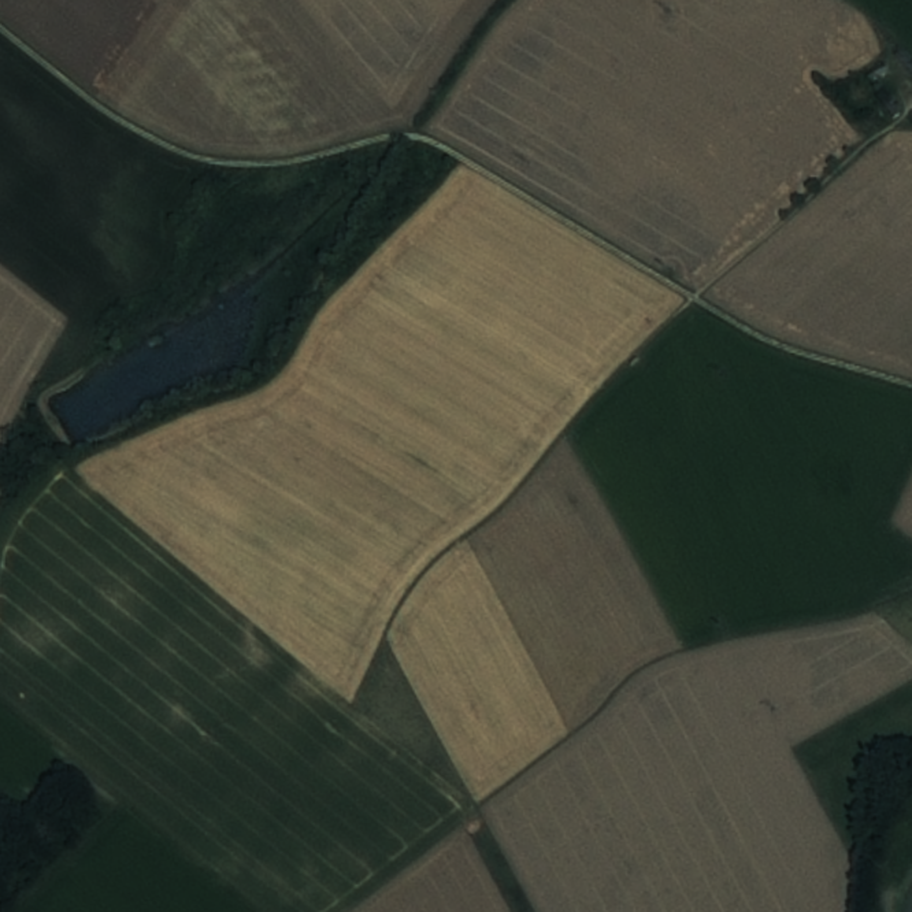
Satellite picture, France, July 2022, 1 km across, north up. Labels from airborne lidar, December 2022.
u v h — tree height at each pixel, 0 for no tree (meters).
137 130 0
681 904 0
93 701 0
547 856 0
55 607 0
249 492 0
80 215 0
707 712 0
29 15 0
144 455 0
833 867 0
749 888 0
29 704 0
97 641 0
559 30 0
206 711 0
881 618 0
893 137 0
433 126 0
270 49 0
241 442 0
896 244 0
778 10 0
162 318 8
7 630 0
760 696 0
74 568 0
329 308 0
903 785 25
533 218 0
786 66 0
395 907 0
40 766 0
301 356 0
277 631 0
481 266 0
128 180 0
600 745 0
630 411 0
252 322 0
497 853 0
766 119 0
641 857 0
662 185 0
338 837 0
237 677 0
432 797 0
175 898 0
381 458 0
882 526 0
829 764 0
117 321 7
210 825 0
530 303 0
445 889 0
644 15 0
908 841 0
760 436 0
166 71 0
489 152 0
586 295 0
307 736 0
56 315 0
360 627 0
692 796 0
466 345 0
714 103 0
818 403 0
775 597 0
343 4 0
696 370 0
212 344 0
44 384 13
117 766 0
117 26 0
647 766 0
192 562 0
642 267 0
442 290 0
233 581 0
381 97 0
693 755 0
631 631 0
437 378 0
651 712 0
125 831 0
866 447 0
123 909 0
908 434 0
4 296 0
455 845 0
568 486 0
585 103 0
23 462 17
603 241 0
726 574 0
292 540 0
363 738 0
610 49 0
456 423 0
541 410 0
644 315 0
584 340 0
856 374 0
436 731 0
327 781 0
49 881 0
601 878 0
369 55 0
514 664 0
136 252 0
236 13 0
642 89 0
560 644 0
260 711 0
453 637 0
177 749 0
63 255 0
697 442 0
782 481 0
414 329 0
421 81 0
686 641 0
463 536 0
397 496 0
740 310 0
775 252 0
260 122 0
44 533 0
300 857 0
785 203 0
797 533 0
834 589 0
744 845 0
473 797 0
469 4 0
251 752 0
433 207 0
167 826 0
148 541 0
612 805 0
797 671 0
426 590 0
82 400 0
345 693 0
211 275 9
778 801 0
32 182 0
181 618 0
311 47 0
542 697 0
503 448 0
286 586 0
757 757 0
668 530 0
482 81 0
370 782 0
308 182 7
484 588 0
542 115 0
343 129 0
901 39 0
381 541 0
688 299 0
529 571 0
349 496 0
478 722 0
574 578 0
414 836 0
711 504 0
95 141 0
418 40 0
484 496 0
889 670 0
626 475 0
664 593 0
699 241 0
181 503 0
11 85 0
